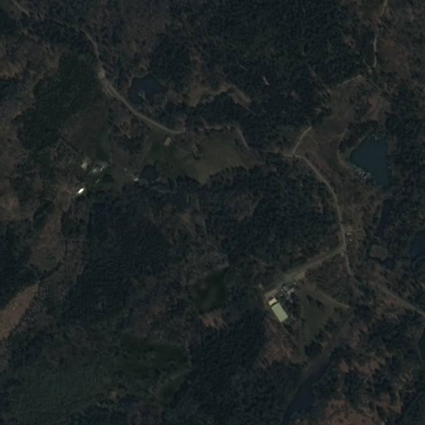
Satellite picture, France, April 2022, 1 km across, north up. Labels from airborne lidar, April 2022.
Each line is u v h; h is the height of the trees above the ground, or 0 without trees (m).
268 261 12
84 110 6
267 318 18
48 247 13
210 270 20
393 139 8
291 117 11
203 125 21
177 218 22
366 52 23
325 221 7
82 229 28
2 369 25
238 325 6
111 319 15
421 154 17
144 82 0
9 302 24
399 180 12
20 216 0
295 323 10
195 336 22
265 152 15
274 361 22
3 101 21
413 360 7
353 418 0
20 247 18
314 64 12
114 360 13
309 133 0
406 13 28
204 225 0
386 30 23
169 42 19
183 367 0
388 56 9
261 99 14
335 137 0
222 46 12
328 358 0
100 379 7
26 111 9
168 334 19
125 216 21
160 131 0
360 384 20
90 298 28
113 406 16
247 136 17
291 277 0
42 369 6
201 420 18
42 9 25
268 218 17
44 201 8
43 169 12
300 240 13
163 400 0
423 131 37
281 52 7
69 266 25
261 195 17
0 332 0
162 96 20
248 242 22
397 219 10
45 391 9
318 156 0
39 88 11
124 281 23
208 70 14
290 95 6
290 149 10
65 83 8
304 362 0
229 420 23
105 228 27
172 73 14
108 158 0
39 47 22
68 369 8
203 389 22
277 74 12
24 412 6
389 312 9
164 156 0
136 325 21
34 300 0
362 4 8
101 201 26
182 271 17
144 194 21
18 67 20
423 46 35
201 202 17
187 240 16
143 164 0
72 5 8
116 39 16
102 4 24
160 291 20
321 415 8
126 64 21
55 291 27
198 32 27
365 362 8
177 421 20
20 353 19
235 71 10
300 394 0
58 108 9
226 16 25
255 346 26
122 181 0
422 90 25
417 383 9
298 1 18
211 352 30
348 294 7
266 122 25
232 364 19
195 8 14
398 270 14
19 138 10
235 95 0
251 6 16
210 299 0
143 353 0
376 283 0
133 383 19
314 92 25
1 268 24
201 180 0
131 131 15
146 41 22
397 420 14
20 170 17
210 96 0
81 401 8
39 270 15
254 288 17
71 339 7
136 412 30
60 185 10
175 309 16
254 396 24
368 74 17
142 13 28
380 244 6
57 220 11
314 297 0
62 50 23
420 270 24
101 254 19
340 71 22
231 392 27
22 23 8
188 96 11
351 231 0
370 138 0
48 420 8
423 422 15
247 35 12
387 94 10
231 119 16
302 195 9
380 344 7
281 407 26
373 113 0
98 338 19
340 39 20
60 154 9
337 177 0
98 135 0
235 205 23
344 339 0
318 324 0
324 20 17
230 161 0
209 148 0
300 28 24
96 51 19
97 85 11
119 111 21
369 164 0
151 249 19
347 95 0
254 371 25
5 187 0
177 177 0
